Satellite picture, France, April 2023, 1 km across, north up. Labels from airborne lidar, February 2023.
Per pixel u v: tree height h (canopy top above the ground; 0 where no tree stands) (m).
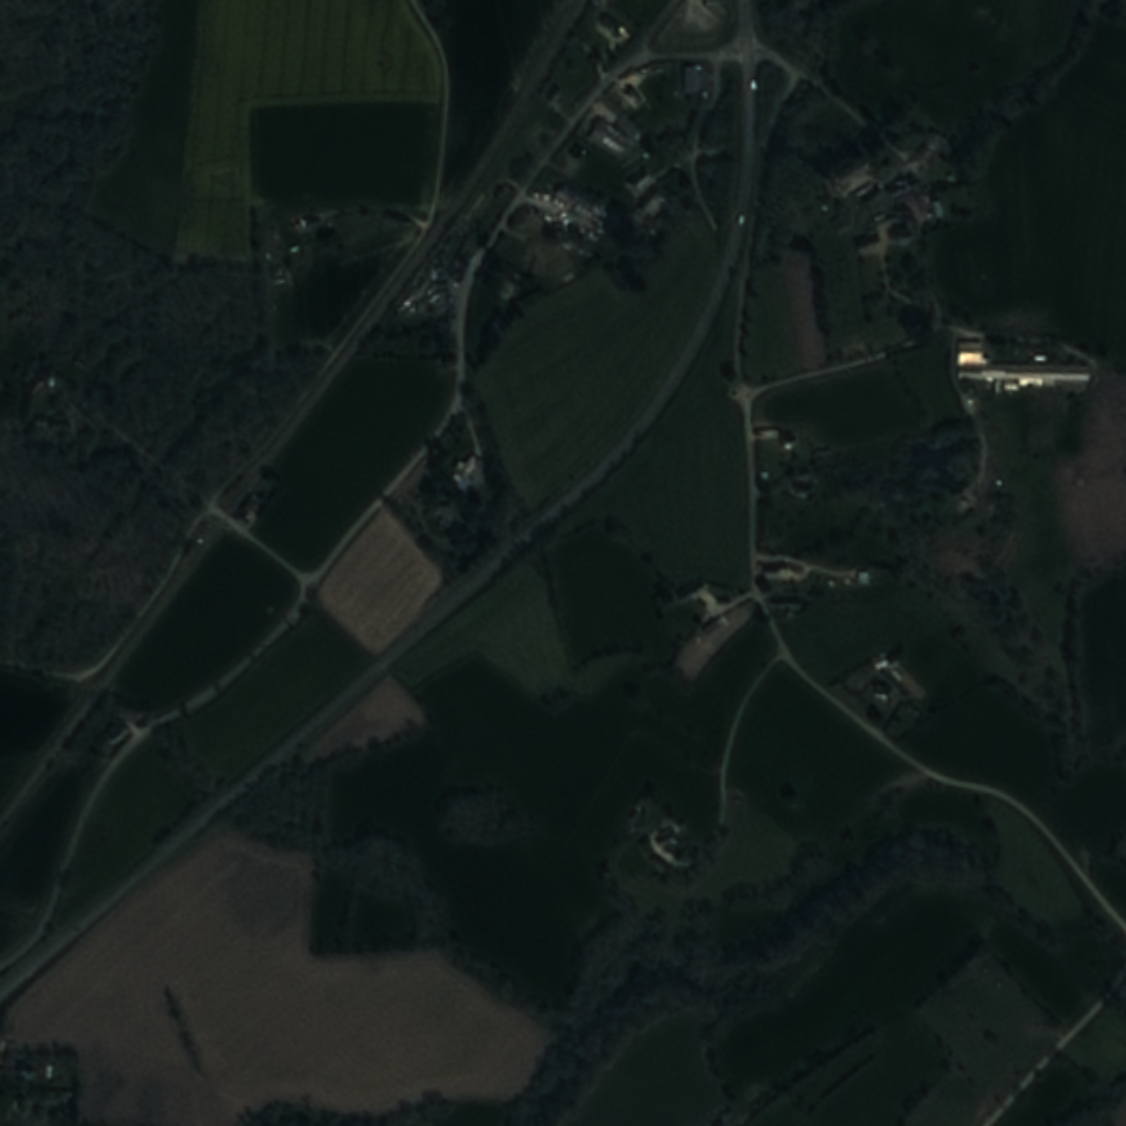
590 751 0
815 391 0
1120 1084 8
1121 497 0
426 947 13
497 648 0
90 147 14
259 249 11
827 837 0
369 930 0
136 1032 0
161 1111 0
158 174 0
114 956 0
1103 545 0
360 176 0
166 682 0
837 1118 0
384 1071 0
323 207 0
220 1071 0
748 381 6
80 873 0
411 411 0
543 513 10
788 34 14
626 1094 0
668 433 0
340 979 0
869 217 0
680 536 0
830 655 0
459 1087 0
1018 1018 0
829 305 8
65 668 7
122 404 11
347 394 0
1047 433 0
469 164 0
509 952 0
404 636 0
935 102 0
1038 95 15
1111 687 0
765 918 0
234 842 0
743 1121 0
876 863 16
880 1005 0
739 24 0
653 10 0
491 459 13
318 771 13
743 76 0
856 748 0
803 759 0
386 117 0
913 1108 14
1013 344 7
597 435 0
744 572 0
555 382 0
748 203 0
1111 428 0
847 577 0
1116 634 0
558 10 0
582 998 12
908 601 0
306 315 0
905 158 0
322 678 0
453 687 0
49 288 11
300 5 0
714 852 12
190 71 0
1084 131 0
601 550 0
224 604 0
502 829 14
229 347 7
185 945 0
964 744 0
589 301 0
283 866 0
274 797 11
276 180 0
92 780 0
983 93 0
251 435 7
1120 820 0
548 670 0
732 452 0
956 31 0
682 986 27
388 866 15
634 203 0
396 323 0
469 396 16
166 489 18
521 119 0
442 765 0
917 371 0
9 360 0
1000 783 0
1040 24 0
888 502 22
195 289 10
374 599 0
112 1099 0
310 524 0
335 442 0
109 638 12
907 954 0
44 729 0
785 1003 0
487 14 0
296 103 0
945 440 8
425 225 0
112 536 12
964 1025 0
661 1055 0
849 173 0
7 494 9
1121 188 0
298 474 0
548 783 0
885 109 0
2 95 9
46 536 16
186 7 0
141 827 0
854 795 0
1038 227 0
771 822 0
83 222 16
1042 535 0
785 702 0
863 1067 7
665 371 0
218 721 0
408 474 0
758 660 0
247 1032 0
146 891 0
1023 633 9
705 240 0
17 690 0
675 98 0
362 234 0
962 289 0
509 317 10
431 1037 0
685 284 0
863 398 0
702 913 17
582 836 0
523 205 0
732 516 0
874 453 0
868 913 0
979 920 0
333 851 10
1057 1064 13
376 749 14
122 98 8
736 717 0
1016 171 0
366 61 0
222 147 0
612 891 17
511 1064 0
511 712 0
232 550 0
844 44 0
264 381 12
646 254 13
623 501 0
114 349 16
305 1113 16
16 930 0
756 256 8
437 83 0
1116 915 0
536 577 0
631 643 0
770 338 0
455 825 18
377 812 0
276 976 0
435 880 0
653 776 0
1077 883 0
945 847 12
